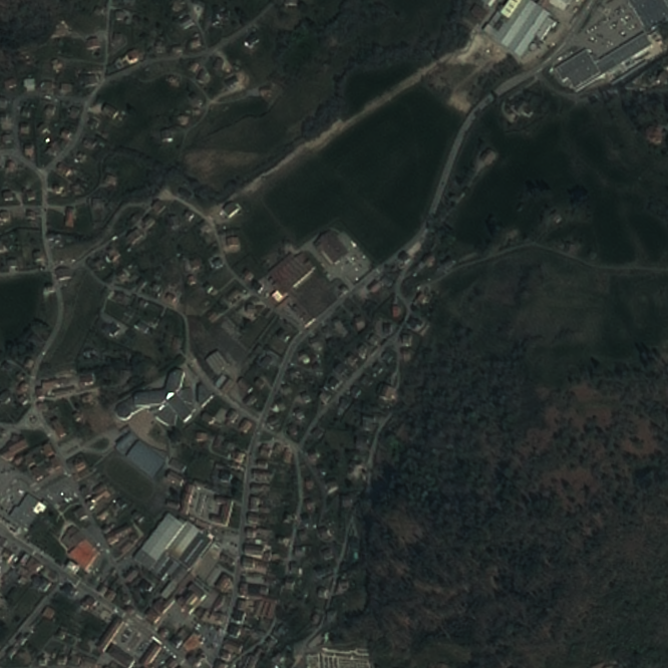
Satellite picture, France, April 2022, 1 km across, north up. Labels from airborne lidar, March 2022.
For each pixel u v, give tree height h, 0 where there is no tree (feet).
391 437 48
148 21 35
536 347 0
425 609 60
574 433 26
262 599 0
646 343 0
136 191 38
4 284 0
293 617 23
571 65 0
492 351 0
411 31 0
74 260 0
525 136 0
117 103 0
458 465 30
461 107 0
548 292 0
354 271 0
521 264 0
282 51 56
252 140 0
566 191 0
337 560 0
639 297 0
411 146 0
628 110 45
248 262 0
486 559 75
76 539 0
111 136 0
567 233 0
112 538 0
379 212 0
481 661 79
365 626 66
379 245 0
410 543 0
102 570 0
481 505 74
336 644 59
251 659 0
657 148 44
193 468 0
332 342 51
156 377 0
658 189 0
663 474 51
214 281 0
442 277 0
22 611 0
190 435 0
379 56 61
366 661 0
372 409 27
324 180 0
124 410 0
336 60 0
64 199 0
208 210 0
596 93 0
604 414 0
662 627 74
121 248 0
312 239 0
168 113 0
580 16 0
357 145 0
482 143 33
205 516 0
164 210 0
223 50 0
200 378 0
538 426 0
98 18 0
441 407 22
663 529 39
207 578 0
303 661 0
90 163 0
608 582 64
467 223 0
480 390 53
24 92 0
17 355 19
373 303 24
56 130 0
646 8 0
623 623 77
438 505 98
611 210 0
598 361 0
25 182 0
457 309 0
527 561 75
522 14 0
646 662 59
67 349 0
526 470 25
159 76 0
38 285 0
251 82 0
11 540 0
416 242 0
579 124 0
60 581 0
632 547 55
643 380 69
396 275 0
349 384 0
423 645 61
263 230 0
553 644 58
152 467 0
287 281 0
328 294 0
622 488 32
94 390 0
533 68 0
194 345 0
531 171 0
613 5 0
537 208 0
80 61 0
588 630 57
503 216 0
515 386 26
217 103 0
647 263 0
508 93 0
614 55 0
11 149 0
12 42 29
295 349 0
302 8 58
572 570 61
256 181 0
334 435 0
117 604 0
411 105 0
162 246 0
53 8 52
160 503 0
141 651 0
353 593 19
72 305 0
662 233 0
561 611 90
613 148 0
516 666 66
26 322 0
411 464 67
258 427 0
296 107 0
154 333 49
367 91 0
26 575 0
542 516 44
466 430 34
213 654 0
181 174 52
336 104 59
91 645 0
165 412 0
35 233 0
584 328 0
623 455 28
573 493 68
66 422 0
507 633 72
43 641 0
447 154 0
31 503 0
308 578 0
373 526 57
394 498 110
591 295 0
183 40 0
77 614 0
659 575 46
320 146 0
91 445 0
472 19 0
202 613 0
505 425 34
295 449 0
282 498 0
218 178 0
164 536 0
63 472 0
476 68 0
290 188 0
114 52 0
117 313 0
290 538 0
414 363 0
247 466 0
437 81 0
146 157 37
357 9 64
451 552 57
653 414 58
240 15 44
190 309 0
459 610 87
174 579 0
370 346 19
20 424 0
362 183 0
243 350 0
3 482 0
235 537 0
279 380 0
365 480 0
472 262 0
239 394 0
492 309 0
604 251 0
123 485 0
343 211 0
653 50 0
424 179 0
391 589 94
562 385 0
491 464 31
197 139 0
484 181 0
